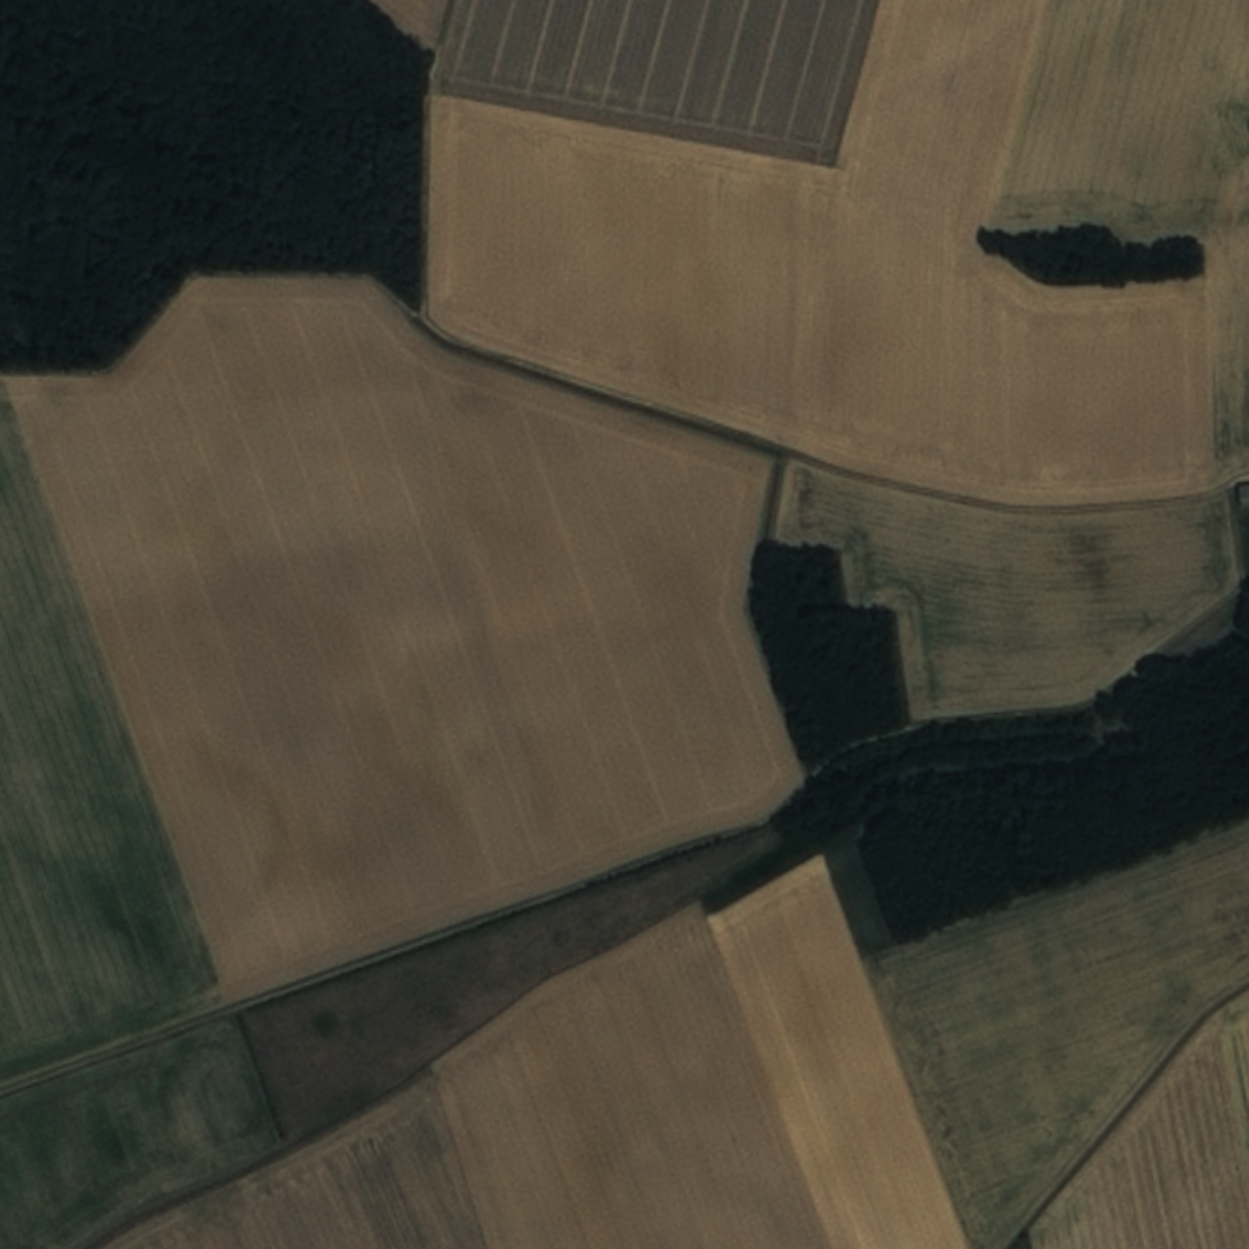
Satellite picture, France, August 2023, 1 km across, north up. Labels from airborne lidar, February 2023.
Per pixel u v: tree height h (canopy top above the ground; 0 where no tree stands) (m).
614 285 0
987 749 10
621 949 0
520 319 0
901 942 13
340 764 0
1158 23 0
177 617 0
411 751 0
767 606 15
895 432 0
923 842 14
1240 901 0
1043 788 19
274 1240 0
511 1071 0
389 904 0
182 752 0
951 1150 0
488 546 0
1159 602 0
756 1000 0
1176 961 0
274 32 21
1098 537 0
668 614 0
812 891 0
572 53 0
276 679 0
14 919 0
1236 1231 0
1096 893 0
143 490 0
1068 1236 0
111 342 16
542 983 0
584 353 0
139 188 17
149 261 20
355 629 0
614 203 0
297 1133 0
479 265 0
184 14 21
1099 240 13
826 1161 0
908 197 0
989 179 0
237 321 0
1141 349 0
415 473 0
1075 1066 0
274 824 0
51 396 0
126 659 0
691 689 0
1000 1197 0
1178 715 27
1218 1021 0
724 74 0
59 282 18
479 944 0
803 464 0
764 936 0
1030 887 17
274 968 0
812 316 0
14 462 0
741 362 0
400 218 10
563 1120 0
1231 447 0
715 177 0
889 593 0
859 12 0
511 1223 0
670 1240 0
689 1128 0
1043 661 0
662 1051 0
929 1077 0
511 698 0
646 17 0
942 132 0
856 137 0
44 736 0
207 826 0
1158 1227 0
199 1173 0
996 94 0
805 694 14
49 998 0
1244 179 0
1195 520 0
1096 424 0
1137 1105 0
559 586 0
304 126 15
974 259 0
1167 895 0
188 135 18
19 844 0
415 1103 0
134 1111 0
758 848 0
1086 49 0
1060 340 0
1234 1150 0
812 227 0
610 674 0
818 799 20
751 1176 0
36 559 0
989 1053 0
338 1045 0
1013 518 0
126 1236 0
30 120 22
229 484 0
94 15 22
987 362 0
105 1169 0
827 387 0
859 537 0
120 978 0
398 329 0
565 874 0
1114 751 16
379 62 19
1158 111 0
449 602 0
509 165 0
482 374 0
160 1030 0
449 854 0
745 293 0
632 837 0
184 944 0
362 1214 0
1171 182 0
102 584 0
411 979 0
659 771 0
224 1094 0
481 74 0
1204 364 0
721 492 0
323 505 0
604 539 0
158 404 0
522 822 0
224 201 18
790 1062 0
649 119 0
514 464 0
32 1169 0
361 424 0
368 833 0
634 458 0
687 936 0
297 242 18
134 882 0
